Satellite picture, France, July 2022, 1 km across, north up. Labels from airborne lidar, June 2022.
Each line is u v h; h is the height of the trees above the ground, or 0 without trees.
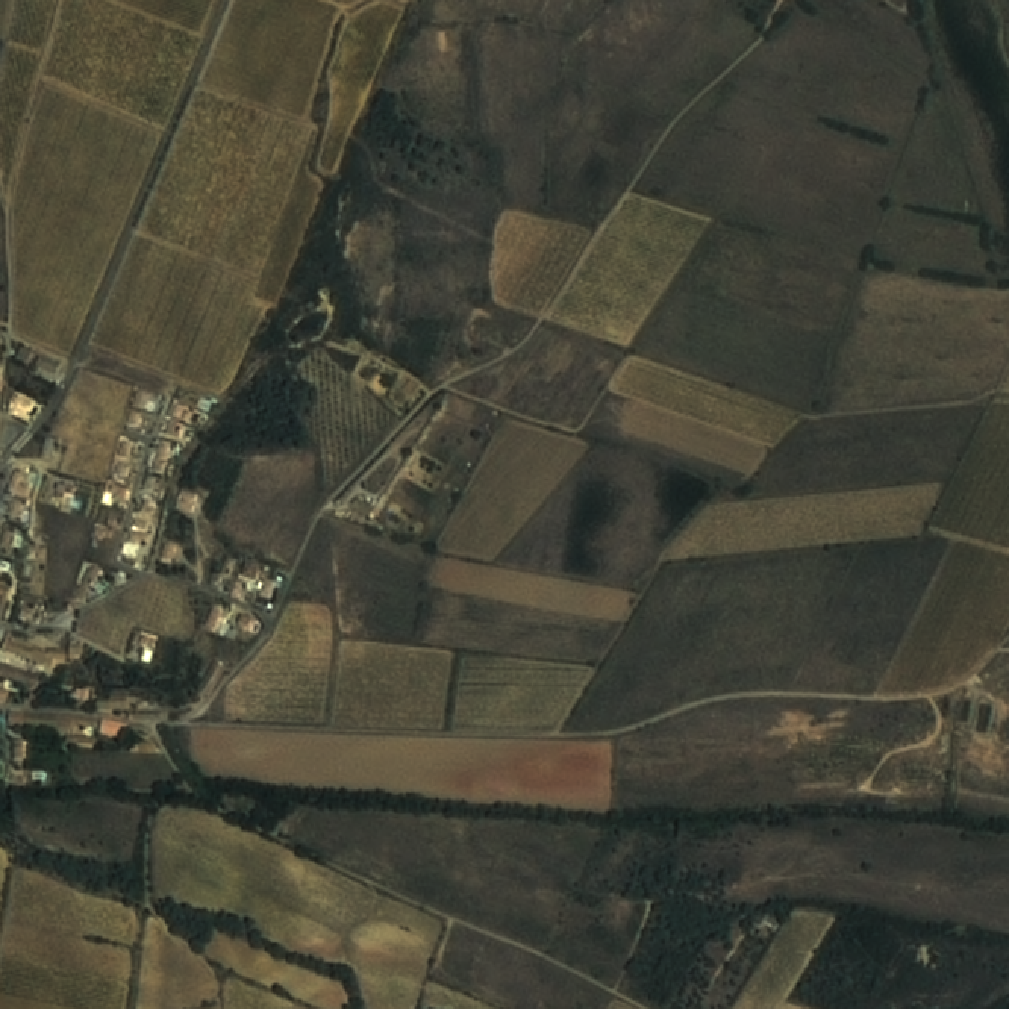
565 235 0
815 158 0
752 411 0
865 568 0
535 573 0
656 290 0
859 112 0
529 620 0
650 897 12
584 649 0
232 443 12
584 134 0
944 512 0
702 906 13
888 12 0
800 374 0
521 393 0
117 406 0
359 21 0
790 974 0
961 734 0
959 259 0
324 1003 0
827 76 0
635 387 0
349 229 0
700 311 0
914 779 0
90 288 0
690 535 0
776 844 0
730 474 0
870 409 0
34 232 0
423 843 0
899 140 0
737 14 0
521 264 0
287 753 0
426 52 0
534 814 14
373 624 0
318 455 0
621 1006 0
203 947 8
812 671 0
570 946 0
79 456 0
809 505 0
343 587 0
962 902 0
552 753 0
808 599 0
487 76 0
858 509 0
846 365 0
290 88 0
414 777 0
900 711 0
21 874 0
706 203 0
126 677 8
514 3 0
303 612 0
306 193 0
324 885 0
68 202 0
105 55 0
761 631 0
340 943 0
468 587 0
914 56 0
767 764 0
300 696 0
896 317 0
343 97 0
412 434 0
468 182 0
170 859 0
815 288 0
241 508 0
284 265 0
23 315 0
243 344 0
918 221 0
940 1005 0
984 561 0
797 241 0
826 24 0
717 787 0
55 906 0
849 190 0
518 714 0
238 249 0
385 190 0
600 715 0
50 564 0
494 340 0
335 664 0
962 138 0
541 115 0
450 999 0
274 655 0
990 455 0
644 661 0
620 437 0
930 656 0
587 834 0
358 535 0
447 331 0
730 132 0
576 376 0
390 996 0
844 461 0
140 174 0
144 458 0
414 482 0
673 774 0
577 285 0
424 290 0
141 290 0
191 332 0
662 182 0
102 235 0
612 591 0
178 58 0
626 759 0
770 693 0
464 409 0
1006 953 0
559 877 0
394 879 0
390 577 0
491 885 0
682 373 0
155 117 0
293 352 9
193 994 0
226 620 0
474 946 0
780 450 0
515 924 0
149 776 0
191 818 0
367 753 0
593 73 0
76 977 0
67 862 15
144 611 0
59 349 0
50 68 0
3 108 0
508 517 0
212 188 0
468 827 0
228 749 0
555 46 0
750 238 0
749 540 0
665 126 0
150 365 0
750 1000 0
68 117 0
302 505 0
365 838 0
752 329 0
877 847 0
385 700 0
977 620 0
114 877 8
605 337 0
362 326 0
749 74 0
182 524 6
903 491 0
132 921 0
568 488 0
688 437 0
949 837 0
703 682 0
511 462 0
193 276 0
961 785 0
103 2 0
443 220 0
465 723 0
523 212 0
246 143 0
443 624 0
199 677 6
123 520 0
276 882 0
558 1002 0
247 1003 0
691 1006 7
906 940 0
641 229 0
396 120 13
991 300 0
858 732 0
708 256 0
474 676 0
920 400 0
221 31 0
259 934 11
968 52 6
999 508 0
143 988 0
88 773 0
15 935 0
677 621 0
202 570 0
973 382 0
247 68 0
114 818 0
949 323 0
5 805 9
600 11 0
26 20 0
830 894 0
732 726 0
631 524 0
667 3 0
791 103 0
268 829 9
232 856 0
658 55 0
